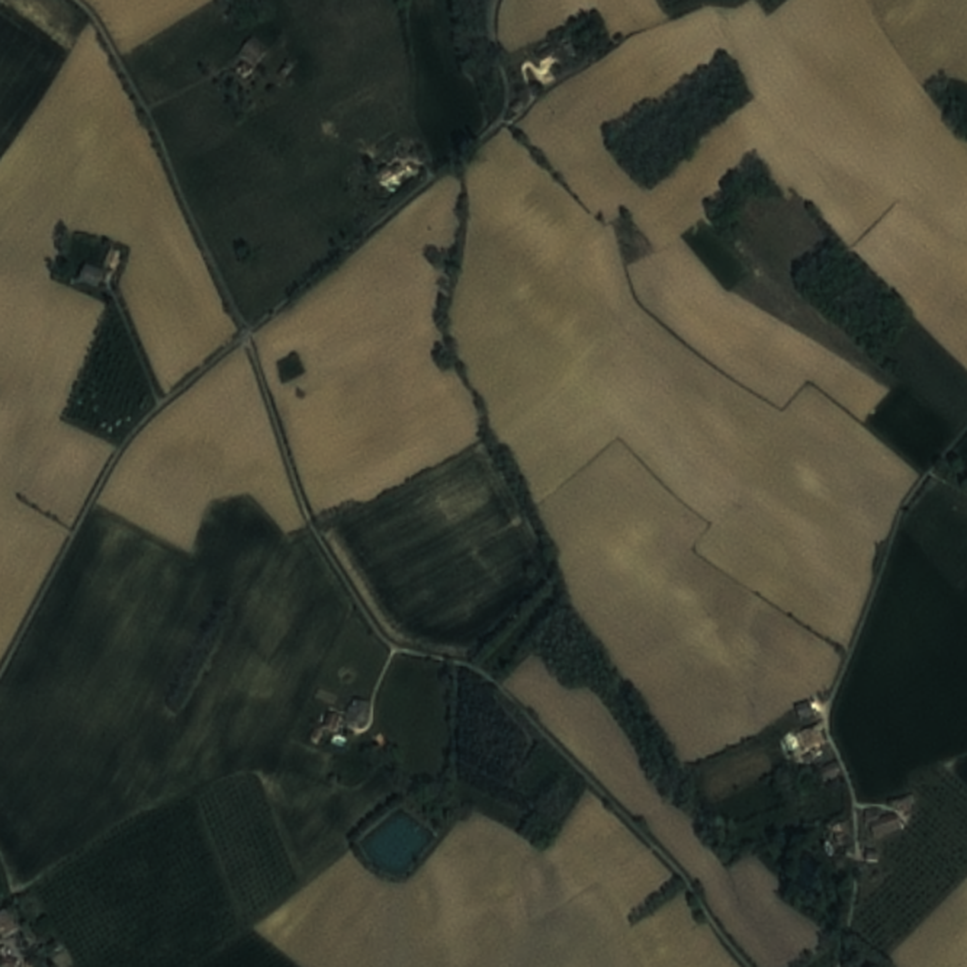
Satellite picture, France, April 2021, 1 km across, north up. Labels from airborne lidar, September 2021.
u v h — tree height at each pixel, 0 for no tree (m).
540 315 0
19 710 0
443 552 0
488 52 13
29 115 0
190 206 0
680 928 0
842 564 0
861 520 0
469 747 16
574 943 0
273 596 0
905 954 0
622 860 0
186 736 0
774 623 0
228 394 0
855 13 0
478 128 0
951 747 0
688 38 0
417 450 0
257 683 0
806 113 0
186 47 0
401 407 0
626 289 0
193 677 14
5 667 0
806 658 0
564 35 10
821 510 0
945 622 0
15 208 0
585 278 0
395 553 0
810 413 0
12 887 0
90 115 0
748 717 0
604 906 0
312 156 0
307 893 0
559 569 11
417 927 0
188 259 0
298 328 0
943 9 0
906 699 0
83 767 0
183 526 0
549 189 0
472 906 0
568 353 0
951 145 0
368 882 0
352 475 0
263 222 0
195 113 0
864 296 20
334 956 0
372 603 0
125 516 0
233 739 0
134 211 0
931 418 0
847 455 0
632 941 0
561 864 0
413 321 0
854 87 0
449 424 0
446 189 0
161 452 0
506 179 0
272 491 0
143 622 0
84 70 0
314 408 0
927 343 0
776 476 0
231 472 0
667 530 0
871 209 0
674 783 20
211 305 0
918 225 0
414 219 0
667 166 21
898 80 0
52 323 0
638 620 0
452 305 13
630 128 13
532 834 15
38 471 0
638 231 0
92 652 0
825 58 0
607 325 0
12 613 0
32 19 0
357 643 0
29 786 0
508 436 0
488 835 0
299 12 7
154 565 0
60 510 0
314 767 0
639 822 10
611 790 0
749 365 0
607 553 0
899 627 0
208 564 0
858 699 0
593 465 0
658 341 0
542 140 0
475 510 0
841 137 0
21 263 0
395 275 0
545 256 0
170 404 0
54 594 0
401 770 20
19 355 0
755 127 0
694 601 0
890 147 0
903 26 0
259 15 17
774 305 0
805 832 9
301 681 0
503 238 0
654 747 23
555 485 0
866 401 0
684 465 0
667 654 0
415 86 0
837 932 16
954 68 0
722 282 0
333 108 0
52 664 0
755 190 15
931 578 0
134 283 0
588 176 0
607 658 30
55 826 0
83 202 0
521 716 15
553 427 0
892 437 0
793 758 11
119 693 0
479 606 0
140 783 0
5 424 0
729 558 0
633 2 0
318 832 0
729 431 0
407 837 0
